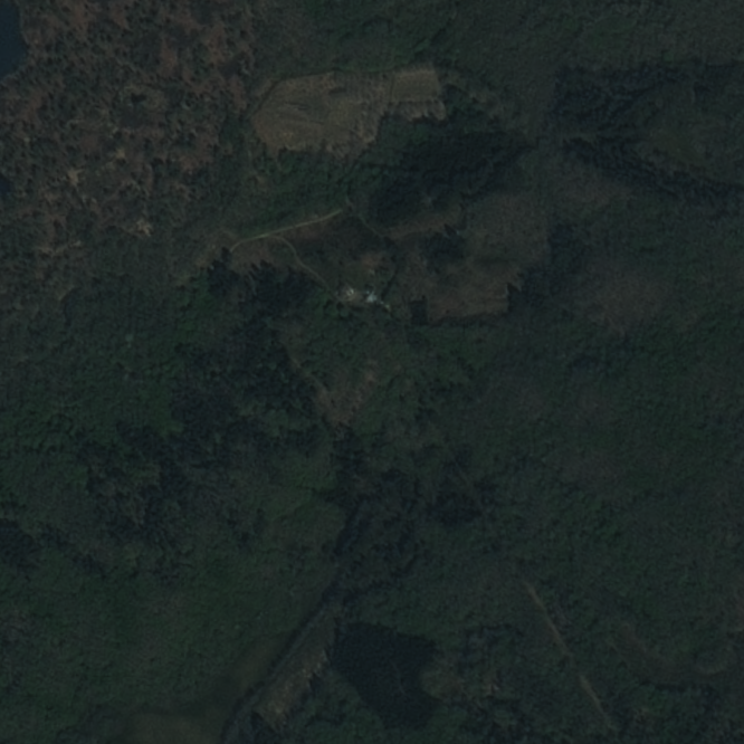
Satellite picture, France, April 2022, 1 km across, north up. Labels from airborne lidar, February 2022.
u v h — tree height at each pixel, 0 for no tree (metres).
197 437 29
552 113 7
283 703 0
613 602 22
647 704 25
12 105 0
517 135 8
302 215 24
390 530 19
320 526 15
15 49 0
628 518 22
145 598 16
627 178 14
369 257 0
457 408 19
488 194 17
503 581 20
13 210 17
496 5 11
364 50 22
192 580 12
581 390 14
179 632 25
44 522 23
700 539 19
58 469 18
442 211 36
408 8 6
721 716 16
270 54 18
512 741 7
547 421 14
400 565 11
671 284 15
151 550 24
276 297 10
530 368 16
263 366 21
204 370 30
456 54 10
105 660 22
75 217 16
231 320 12
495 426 15
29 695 25
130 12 13
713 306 15
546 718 26
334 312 18
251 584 19
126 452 21
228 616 15
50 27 0
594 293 9
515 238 12
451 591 23
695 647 14
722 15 19
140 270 20
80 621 22
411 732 23
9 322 21
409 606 21
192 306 21
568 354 17
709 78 26
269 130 0
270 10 16
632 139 9
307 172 20
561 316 19
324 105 0
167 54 0
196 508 13
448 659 21
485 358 21
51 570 25
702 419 21
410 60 18
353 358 21
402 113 16
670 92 30
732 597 20
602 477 14
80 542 16
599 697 21
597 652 20
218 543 19
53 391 20
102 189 0
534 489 20
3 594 22
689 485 14
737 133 17
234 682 0
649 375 18
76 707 17
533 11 10
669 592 17
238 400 22
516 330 18
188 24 0
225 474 23
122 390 20
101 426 21
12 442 20
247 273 0
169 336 18
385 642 20
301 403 22
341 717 8
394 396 24
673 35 25
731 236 23
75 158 20
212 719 0
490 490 12
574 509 19
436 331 21
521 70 11
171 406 21
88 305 17
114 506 25
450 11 11
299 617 10
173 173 10
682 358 18
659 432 18
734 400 14
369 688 13
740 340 20
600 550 22
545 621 26
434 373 22
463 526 22
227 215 15
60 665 23
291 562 16
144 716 0
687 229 15
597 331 17
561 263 19
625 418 10
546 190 25
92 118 0
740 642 12
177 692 17
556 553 19
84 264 11
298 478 21
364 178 21
